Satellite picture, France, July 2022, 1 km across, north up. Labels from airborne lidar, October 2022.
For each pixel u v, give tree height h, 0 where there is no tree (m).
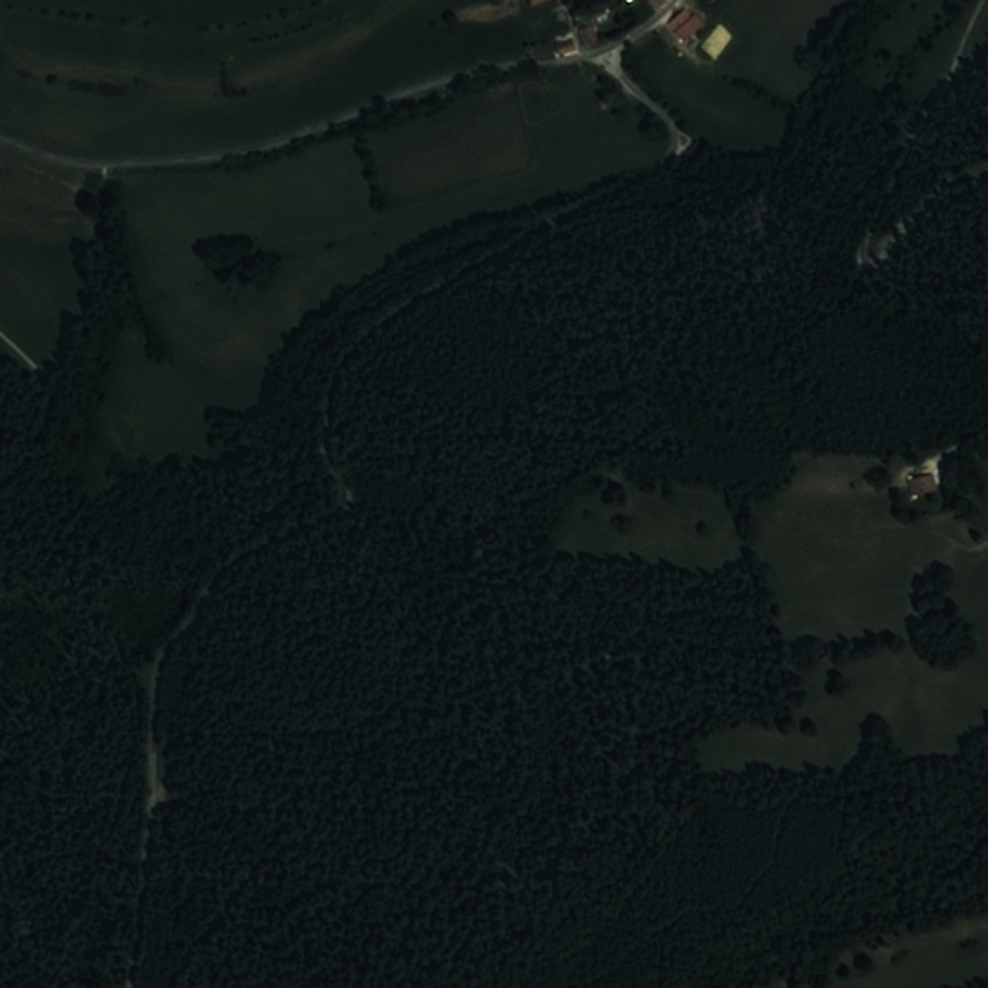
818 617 0
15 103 0
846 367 12
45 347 0
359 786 17
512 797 23
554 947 20
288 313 0
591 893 26
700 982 14
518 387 18
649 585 30
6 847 29
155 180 0
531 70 21
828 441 12
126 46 0
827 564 0
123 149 0
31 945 23
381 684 24
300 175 0
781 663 28
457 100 8
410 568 12
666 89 0
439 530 10
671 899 15
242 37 0
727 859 15
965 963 0
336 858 27
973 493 7
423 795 17
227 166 6
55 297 0
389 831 21
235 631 27
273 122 0
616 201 23
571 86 0
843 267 16
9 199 0
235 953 31
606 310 33
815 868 10
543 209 16
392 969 32
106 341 9
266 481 33
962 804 23
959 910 27
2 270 0
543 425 33
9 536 22
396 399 17
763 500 19
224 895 19
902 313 8
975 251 33
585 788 28
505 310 11
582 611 17
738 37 0
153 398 0
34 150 0
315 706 30
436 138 0
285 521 27
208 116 0
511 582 7
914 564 0
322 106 0
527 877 22
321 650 27
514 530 28
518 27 0
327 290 0
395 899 16
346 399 20
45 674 6
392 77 0
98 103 0
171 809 7
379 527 22
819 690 0
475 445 29
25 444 24
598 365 25
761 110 0
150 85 0
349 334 24
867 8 10
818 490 0
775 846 11
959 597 0
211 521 17
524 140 0
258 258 16
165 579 11
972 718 0
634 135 0
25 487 32
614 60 0
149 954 13
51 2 0
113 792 28
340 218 0
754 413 16
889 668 0
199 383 0
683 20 0
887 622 0
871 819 26
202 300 0
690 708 25
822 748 0
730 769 0
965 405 13
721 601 28
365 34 0
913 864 27
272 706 29
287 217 0
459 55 0
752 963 19
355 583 15
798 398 15
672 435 27
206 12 0
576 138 0
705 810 14
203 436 0
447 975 25
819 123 18
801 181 13
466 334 14
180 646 15
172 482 12
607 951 12
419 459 30
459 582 16
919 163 15
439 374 11
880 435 9
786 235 25
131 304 15
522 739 30
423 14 0
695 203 18
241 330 0
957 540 0
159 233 0
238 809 14
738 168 17
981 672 0
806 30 0
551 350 13
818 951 28
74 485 17
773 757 0
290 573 21
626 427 33
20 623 13
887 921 26
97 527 16
